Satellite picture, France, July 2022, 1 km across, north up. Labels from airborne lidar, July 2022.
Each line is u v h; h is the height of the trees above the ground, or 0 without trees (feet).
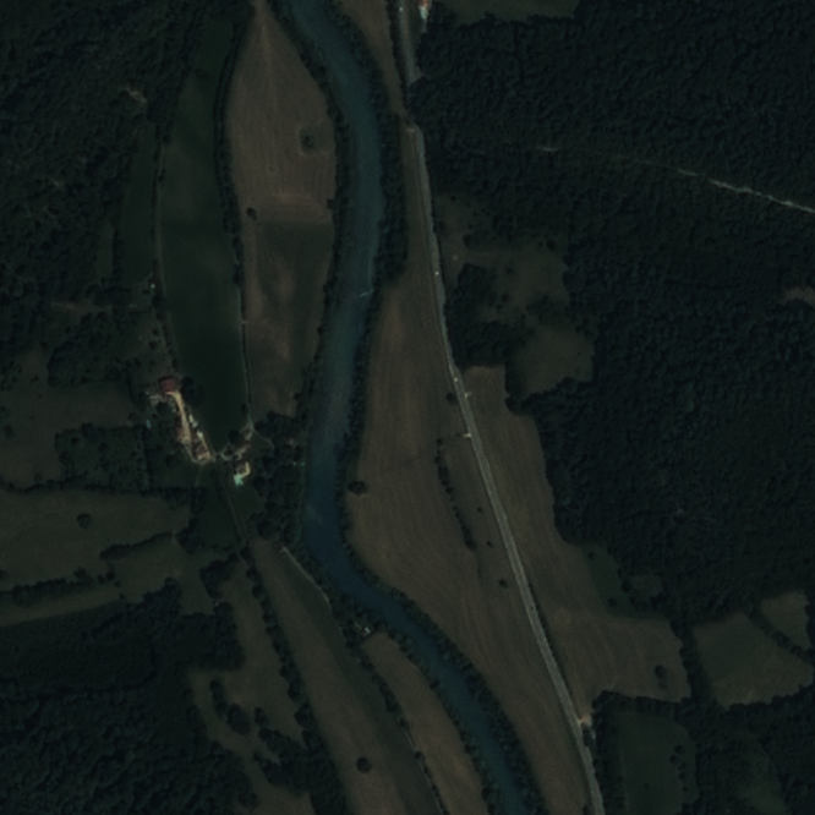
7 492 66
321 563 0
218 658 69
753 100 80
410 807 0
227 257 0
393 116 33
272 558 0
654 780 0
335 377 0
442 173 40
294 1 0
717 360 84
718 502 63
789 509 88
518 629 0
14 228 115
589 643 0
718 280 46
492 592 0
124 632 82
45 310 86
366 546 0
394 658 0
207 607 0
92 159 112
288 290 0
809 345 128
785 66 98
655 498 91
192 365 0
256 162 0
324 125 0
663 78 78
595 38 96
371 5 0
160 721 53
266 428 70
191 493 28
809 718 57
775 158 79
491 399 0
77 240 67
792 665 0
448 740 0
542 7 0
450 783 0
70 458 53
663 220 104
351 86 0
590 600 0
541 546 0
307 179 0
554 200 96
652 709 60
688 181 54
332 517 0
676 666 0
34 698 35
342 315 0
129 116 108
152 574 0
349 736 0
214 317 0
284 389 0
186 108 0
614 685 0
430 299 0
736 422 47
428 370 0
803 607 0
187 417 0
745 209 61
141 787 27
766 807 0
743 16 77
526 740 0
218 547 30
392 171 77
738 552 64
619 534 74
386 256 45
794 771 51
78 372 33
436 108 73
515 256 0
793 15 104
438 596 0
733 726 71
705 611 76
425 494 0
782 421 59
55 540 0
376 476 0
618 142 51
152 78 88
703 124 76
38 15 88
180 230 0
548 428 64
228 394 0
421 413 0
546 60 72
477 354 79
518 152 73
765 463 70
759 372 86
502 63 95
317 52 51
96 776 84
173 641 45
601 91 94
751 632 0
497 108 65
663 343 91
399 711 73
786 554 94
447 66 61
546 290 0
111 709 95
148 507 0
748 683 0
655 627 0
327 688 0
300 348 0
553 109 53
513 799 0
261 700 0
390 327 0
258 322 0
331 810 78
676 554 92
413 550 0
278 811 0
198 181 0
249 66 0
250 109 0
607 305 98
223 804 88
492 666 0
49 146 56
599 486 82
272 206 0
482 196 81
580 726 0
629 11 88
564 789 0
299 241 0
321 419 0
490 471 0
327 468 0
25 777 89
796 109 105
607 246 109
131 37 44
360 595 0
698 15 85
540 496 0
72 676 29
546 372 0
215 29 0
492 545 27
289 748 70
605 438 73
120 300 79
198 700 0
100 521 0
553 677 0
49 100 75
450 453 0
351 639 64
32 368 0
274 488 52
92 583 48
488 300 20
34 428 0
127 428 20
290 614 0
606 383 97
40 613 0
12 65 131
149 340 0
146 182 0
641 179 65
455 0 0
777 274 58
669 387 87
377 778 0
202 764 74
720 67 110
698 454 50
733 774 23
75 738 122
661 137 78
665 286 64
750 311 106
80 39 67
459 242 0
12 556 0
